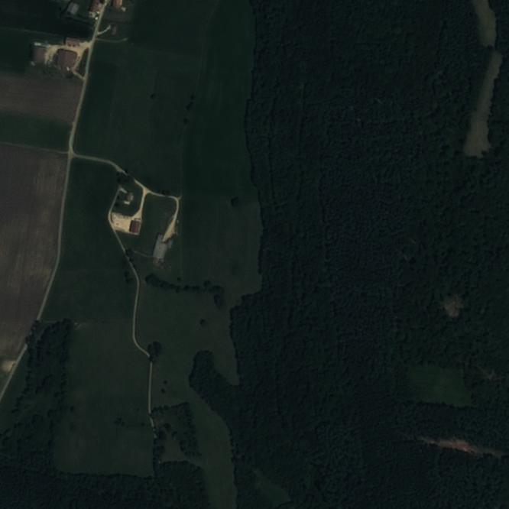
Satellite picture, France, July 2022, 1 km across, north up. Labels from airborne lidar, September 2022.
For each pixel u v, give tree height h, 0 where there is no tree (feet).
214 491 0
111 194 0
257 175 71
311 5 71
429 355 62
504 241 55
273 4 82
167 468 54
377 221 121
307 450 77
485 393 51
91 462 0
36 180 0
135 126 0
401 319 71
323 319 64
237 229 0
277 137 69
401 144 72
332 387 71
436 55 64
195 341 0
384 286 103
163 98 0
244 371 73
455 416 94
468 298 75
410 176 73
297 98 62
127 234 0
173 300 0
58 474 54
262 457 60
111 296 0
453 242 87
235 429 56
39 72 0
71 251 0
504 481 74
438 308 84
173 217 0
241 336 61
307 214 71
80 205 0
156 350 53
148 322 0
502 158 73
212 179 0
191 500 54
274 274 72
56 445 45
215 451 0
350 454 120
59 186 0
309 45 59
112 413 0
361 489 93
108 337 0
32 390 41
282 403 68
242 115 0
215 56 0
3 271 0
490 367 38
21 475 77
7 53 0
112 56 0
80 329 0
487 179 63
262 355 59
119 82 0
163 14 0
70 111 0
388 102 71
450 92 74
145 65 0
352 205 81
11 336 0
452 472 111
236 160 0
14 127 0
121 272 0
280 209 64
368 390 59
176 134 0
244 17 0
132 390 0
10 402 0
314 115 55
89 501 74
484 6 0
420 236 86
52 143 0
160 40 0
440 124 89
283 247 77
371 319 82
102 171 0
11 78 0
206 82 0
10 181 0
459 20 76
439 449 77
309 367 56
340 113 69
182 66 0
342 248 93
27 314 0
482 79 59
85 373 0
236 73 0
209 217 0
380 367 84
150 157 0
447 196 76
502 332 52
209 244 0
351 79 61
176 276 0
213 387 67
